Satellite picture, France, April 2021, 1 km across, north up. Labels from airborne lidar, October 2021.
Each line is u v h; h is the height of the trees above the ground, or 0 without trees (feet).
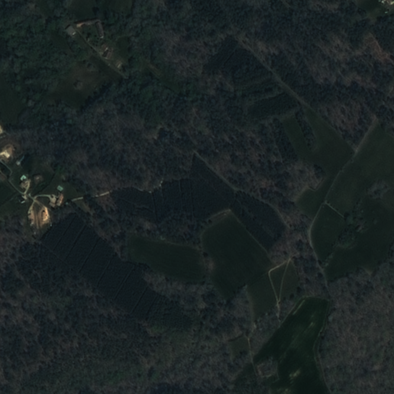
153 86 77
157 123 60
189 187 46
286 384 0
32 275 63
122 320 65
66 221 41
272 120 54
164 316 35
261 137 41
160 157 72
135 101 81
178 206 43
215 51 56
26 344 40
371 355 77
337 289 59
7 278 46
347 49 54
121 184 36
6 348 57
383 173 0
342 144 0
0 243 20
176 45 45
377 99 91
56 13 42
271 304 0
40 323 69
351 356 34
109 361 68
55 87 38
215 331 26
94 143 65
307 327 0
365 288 58
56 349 27
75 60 42
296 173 51
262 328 48
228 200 45
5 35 78
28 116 22
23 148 70
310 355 0
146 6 79
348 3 58
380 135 0
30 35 45
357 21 68
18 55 86
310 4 75
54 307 60
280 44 101
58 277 84
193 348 54
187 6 70
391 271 55
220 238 0
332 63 80
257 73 81
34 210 0
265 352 0
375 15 0
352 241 27
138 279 41
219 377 40
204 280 24
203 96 47
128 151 81
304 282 35
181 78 50
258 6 84
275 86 21
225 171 21
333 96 92
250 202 47
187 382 45
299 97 60
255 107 36
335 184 0
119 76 0
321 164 0
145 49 45
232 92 22
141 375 40
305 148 0
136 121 84
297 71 57
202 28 76
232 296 0
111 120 92
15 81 26
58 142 78
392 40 97
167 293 50
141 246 0
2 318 47
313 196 0
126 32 83
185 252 0
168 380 46
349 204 0
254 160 23
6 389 62
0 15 79
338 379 47
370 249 0
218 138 106
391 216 0
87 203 38
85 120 73
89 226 33
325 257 0
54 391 37
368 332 92
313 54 97
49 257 50
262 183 48
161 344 70
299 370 0
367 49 48
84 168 40
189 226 24
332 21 100
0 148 0
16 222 43
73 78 0
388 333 55
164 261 0
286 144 52
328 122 65
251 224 48
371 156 0
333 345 59
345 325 54
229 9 73
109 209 45
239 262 0
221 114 76
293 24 86
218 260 0
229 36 33
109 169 98
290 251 52
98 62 0
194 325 27
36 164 0
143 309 47
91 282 42
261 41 56
